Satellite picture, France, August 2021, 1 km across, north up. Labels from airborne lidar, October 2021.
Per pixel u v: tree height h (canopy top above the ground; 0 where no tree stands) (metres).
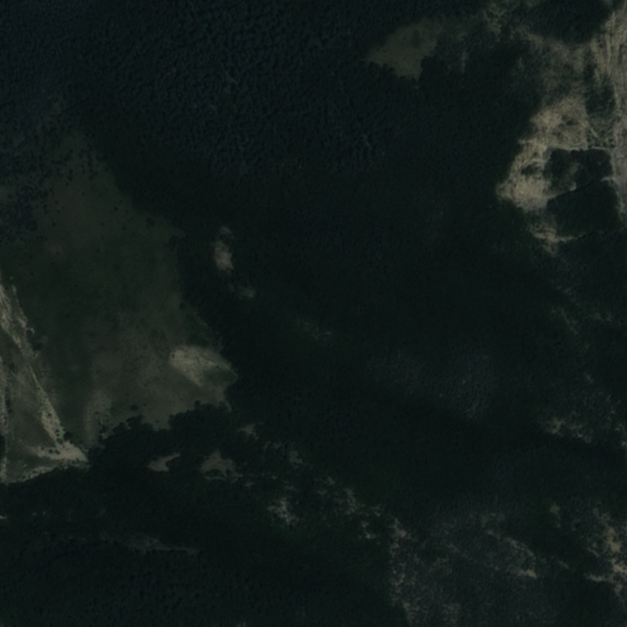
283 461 7
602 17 11
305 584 20
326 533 8
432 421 16
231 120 13
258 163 12
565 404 7
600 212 15
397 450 14
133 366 0
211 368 0
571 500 11
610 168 8
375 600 12
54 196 0
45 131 7
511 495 11
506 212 6
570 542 11
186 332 0
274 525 9
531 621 10
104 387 0
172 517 16
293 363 16
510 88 9
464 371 9
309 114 14
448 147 23
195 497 13
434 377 8
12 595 13
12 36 24
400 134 22
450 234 12
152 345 0
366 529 6
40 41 8
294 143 20
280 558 17
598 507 7
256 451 10
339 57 16
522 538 8
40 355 0
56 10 17
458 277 13
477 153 15
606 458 16
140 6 23
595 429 9
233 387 10
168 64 22
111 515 6
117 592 22
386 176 12
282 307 10
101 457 17
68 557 21
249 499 13
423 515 10
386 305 10
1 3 22
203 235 6
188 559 20
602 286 11
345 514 8
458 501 13
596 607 14
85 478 12
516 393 10
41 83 7
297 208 22
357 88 21
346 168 18
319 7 24
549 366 10
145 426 8
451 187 10
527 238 6
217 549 18
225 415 6
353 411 14
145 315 0
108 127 8
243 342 14
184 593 19
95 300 0
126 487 17
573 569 8
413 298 16
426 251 14
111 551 22
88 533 7
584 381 8
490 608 6
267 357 15
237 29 25
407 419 18
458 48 10
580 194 14
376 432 13
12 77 15
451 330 10
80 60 16
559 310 7
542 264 8
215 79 10
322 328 8
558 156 10
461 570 9
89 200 0
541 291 15
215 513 14
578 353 7
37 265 0
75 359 0
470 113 14
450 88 13
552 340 11
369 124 25
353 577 11
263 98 24
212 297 11
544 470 13
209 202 12
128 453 14
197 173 15
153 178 12
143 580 21
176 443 12
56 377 0
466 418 13
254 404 17
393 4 18
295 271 18
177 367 0
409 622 9
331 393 16
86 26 12
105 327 0
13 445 0
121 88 21
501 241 8
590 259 10
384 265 13
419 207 10
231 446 9
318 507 9
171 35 22
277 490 12
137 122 13
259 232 14
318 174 13
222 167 13
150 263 0
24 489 11
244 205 16
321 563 14
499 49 8
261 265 11
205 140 19
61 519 8
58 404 0
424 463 15
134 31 23
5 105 11
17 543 8
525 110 11
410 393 9
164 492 14
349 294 15
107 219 0
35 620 11
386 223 15
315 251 11
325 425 14
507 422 14
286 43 25
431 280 13
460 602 8
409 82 11
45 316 0
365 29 21
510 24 8
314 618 9
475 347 10
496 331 15
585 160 15
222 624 11
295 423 14
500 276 17
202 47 20
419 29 0
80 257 0
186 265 6
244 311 12
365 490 7
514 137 11
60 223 0
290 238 18
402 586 7
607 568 8
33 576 16
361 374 10
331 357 9
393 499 9
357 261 12
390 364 11
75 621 18
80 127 7
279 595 15
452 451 14
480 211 10
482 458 17
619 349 10
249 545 21
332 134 13
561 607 11
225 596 21
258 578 18
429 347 10
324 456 11
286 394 14
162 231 0
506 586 9
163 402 0
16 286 0
